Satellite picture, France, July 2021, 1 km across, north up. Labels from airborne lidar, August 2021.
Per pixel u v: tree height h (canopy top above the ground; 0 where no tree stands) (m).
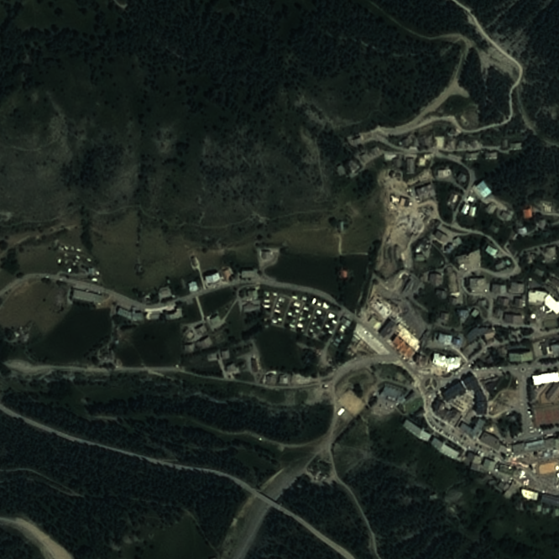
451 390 0
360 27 21
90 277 9
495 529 0
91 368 0
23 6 18
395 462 9
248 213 0
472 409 0
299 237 0
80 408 0
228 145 7
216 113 0
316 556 15
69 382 14
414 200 0
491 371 0
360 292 0
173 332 0
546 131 11
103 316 0
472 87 16
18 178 0
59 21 0
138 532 11
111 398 0
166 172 0
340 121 0
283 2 0
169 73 13
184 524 0
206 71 13
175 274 0
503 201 0
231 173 6
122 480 18
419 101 12
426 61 14
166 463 0
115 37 18
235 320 0
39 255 0
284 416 10
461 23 13
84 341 0
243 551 0
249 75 18
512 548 22
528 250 0
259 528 0
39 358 6
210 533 23
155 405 17
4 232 0
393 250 0
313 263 0
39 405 19
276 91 7
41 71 12
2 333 11
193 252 0
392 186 0
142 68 8
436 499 9
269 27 21
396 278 0
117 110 0
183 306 8
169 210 0
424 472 5
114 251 0
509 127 6
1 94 19
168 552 0
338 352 10
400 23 0
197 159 0
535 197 9
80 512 20
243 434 0
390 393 0
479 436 0
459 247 6
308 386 0
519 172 9
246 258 0
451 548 10
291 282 0
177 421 0
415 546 21
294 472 0
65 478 11
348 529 11
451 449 0
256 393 0
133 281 0
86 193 0
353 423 10
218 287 0
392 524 19
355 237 0
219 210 0
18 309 0
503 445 0
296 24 0
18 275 8
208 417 19
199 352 8
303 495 24
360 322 0
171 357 0
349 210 0
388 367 0
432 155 0
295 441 0
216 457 18
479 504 8
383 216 0
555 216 0
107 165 7
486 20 9
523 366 0
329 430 0
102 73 12
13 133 0
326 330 13
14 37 21
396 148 0
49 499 19
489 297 0
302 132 0
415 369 0
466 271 0
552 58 10
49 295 0
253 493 0
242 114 16
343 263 11
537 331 0
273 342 0
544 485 0
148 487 15
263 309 10
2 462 7
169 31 18
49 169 0
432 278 0
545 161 8
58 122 0
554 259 0
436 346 0
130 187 0
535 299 0
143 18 21
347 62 15
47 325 0
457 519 7
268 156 0
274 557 13
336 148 16
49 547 0
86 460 19
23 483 16
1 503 17
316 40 21
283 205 0
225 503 22
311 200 0
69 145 0
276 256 0
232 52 14
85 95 0
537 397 0
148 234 0
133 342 0
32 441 17
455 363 0
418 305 0
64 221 0
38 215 0
